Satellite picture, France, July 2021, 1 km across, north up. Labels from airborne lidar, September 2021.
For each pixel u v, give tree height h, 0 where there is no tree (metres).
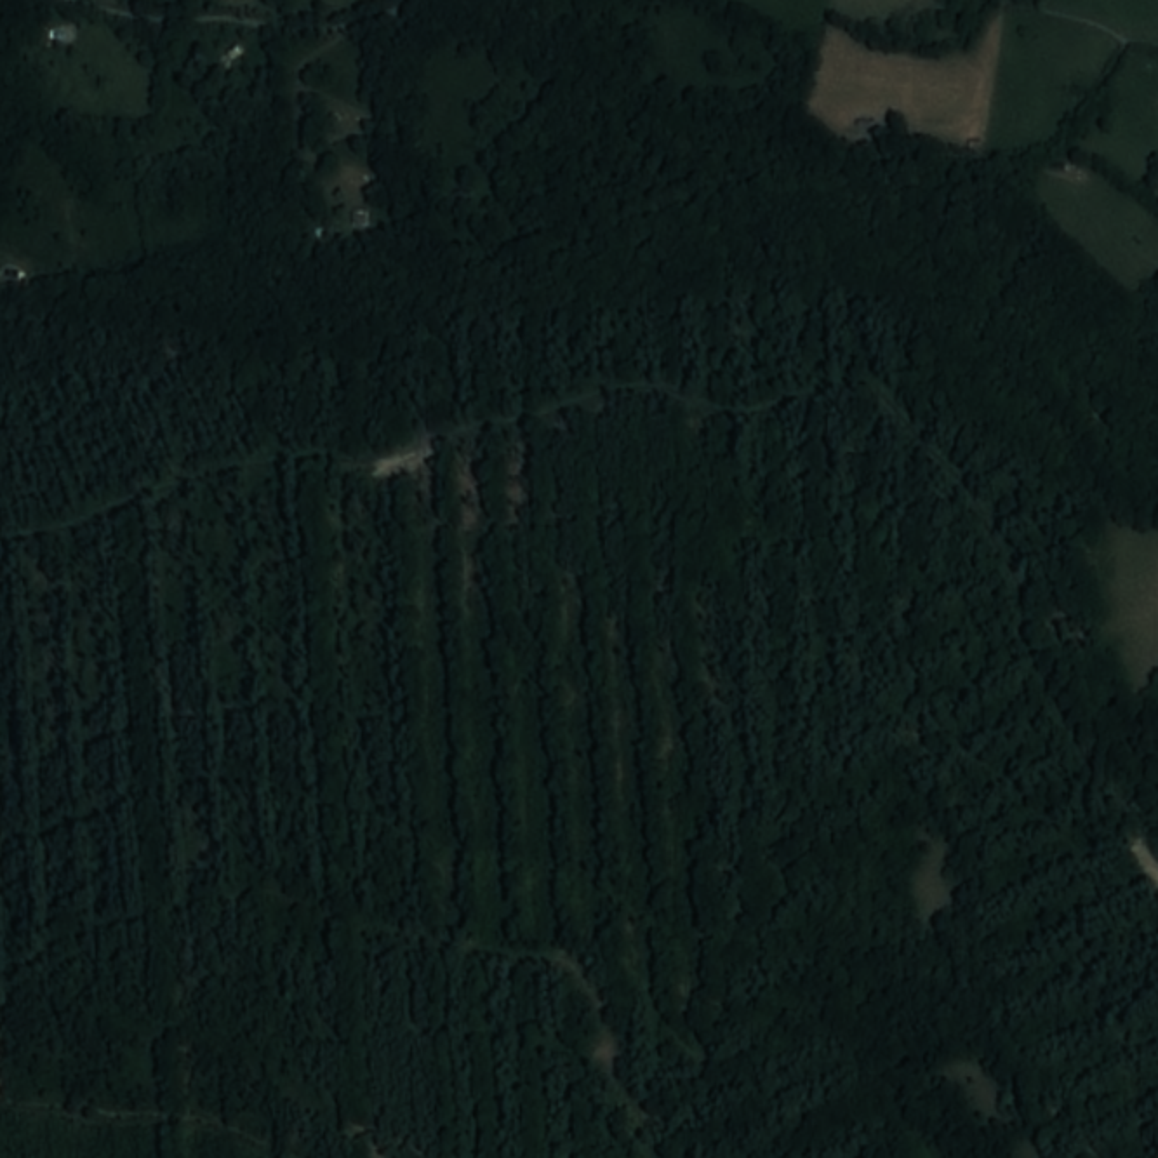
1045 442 26
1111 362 29
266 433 22
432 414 17
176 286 24
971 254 22
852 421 24
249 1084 9
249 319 19
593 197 11
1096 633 26
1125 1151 15
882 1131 26
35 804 31
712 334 21
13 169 14
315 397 24
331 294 21
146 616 15
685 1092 24
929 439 19
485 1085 25
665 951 23
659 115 21
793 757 14
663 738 21
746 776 8
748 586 22
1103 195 0
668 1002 25
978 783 18
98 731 22
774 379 22
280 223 22
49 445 21
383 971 15
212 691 23
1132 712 32
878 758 23
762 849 25
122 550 18
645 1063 33
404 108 16
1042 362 26
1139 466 30
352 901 16
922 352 24
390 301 21
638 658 19
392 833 18
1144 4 0
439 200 22
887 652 20
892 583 24
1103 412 25
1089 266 22
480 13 20
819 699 21
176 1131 21
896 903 11
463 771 25
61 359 24
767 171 11
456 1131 24
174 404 25
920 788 32
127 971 20
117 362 23
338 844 25
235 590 24
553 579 15
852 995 27
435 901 20
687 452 22
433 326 27
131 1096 10
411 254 24
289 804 20
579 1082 24
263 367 23
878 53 19
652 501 10
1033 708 24
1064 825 28
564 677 16
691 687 16
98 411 21
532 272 26
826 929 18
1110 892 17
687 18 0
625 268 23
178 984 15
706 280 26
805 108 16
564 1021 32
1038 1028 27
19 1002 16
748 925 25
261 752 28
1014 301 22
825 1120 29
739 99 11
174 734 23
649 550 22
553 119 16
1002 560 17
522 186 11
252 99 16
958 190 16
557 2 18
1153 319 22
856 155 22
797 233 22
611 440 19
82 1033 15
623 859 17
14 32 18
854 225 26
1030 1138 13
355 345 25
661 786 17
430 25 20
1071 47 0
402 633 24
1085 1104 29
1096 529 29
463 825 25
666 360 22
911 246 22
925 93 0
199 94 21
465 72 0
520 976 22
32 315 21
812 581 21
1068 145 14
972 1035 18
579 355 23
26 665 32
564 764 21
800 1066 28
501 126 6
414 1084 23
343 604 25
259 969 11
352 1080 20
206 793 16
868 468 24
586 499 20
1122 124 0
